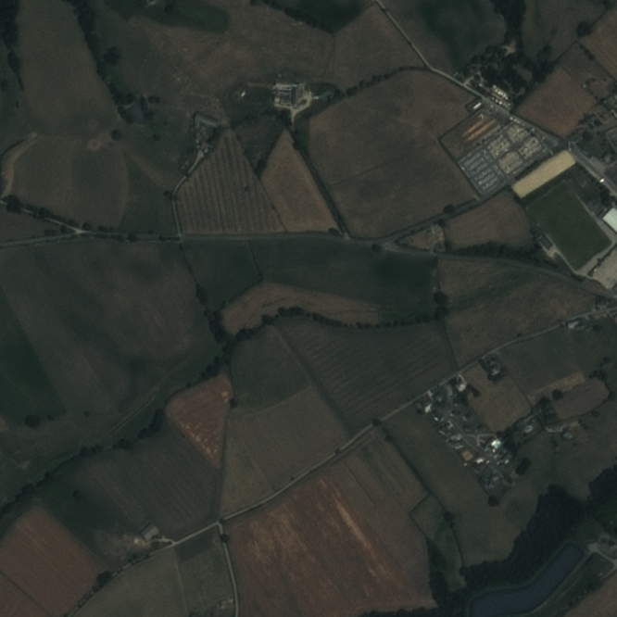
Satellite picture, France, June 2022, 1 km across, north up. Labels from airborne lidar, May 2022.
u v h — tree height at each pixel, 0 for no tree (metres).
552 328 0
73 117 0
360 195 0
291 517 0
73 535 0
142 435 13
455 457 0
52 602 0
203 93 0
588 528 0
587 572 0
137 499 0
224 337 21
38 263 0
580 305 0
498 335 0
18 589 0
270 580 0
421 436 0
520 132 0
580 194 0
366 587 0
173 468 0
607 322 0
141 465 0
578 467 0
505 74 10
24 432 0
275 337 0
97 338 0
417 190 0
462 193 0
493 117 0
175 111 0
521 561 20
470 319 0
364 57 0
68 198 0
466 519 0
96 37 11
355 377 0
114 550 0
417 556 0
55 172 0
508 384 0
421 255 0
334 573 0
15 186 0
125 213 0
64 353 0
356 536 0
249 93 0
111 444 0
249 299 0
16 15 16
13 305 0
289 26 0
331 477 0
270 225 0
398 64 0
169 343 0
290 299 0
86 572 0
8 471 0
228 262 0
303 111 0
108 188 0
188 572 0
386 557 0
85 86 0
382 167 0
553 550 20
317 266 0
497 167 0
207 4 0
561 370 0
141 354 0
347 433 0
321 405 0
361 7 0
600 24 0
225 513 0
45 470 0
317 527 0
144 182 0
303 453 0
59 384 0
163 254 0
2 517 17
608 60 0
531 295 0
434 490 0
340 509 0
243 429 0
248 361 0
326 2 0
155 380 0
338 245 0
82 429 0
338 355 0
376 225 0
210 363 0
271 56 0
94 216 0
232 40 0
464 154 0
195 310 0
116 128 0
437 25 0
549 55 9
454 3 0
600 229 0
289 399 0
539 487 0
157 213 0
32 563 0
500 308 0
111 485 0
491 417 0
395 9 0
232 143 0
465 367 0
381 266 0
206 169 0
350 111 0
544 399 8
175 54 0
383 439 0
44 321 0
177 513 0
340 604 0
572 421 0
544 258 0
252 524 0
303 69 0
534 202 0
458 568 0
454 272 0
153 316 0
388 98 0
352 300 0
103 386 0
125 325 0
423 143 0
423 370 0
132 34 0
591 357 0
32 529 0
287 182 0
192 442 0
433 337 0
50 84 0
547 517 17
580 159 0
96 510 0
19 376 0
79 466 0
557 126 0
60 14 0
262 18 0
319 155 0
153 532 0
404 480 0
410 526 0
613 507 0
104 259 0
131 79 0
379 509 0
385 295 0
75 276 0
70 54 0
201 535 0
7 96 0
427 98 0
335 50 0
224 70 0
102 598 0
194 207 0
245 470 0
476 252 7
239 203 0
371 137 0
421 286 0
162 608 0
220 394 0
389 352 0
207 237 0
